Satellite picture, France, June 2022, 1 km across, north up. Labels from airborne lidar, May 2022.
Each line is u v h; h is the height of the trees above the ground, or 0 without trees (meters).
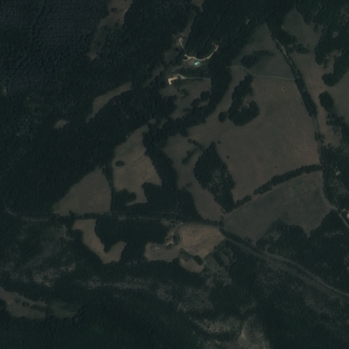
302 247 8
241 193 0
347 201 12
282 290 6
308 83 0
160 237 14
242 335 0
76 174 15
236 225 0
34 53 15
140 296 11
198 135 0
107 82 13
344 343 9
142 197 0
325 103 15
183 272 15
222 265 11
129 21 19
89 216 15
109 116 14
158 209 11
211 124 0
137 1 17
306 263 10
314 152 0
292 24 0
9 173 18
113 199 12
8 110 14
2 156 14
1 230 8
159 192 15
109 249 14
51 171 15
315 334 9
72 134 15
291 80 0
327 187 7
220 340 5
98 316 9
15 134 18
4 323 9
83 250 15
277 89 0
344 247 8
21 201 9
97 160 18
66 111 17
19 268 7
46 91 16
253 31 14
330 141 0
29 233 7
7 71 17
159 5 14
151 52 14
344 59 10
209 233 0
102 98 0
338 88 0
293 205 0
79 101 17
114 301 14
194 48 13
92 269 7
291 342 10
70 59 20
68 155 14
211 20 19
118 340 14
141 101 15
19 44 10
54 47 21
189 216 10
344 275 10
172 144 0
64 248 7
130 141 0
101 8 17
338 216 9
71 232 10
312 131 0
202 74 8
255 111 9
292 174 10
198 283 10
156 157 14
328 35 12
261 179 0
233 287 8
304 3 12
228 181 6
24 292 14
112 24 0
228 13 17
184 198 12
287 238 10
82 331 8
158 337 17
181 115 0
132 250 14
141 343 9
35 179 11
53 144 11
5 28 7
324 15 12
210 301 6
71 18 17
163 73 13
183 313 8
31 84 18
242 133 0
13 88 14
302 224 0
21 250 9
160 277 8
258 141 0
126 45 19
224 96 16
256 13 16
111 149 15
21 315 0
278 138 0
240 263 11
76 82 17
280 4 17
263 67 0
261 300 7
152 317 11
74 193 0
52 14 20
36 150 14
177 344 10
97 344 9
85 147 14
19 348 5
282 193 0
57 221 7
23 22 17
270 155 0
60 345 7
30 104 19
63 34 17
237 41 19
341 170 10
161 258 0
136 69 12
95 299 17
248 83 17
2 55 9
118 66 18
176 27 11
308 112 8
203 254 0
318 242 8
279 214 0
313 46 0
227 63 14
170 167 20
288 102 0
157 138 19
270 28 16
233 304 6
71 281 10
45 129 14
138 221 10
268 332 9
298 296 6
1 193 12
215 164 9
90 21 16
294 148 0
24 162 17
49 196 15
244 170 0
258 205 0
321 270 9
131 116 13
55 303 0
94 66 17
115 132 15
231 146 0
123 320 9
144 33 18
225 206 11
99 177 0
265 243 6
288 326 6
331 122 8
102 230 15
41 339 14
